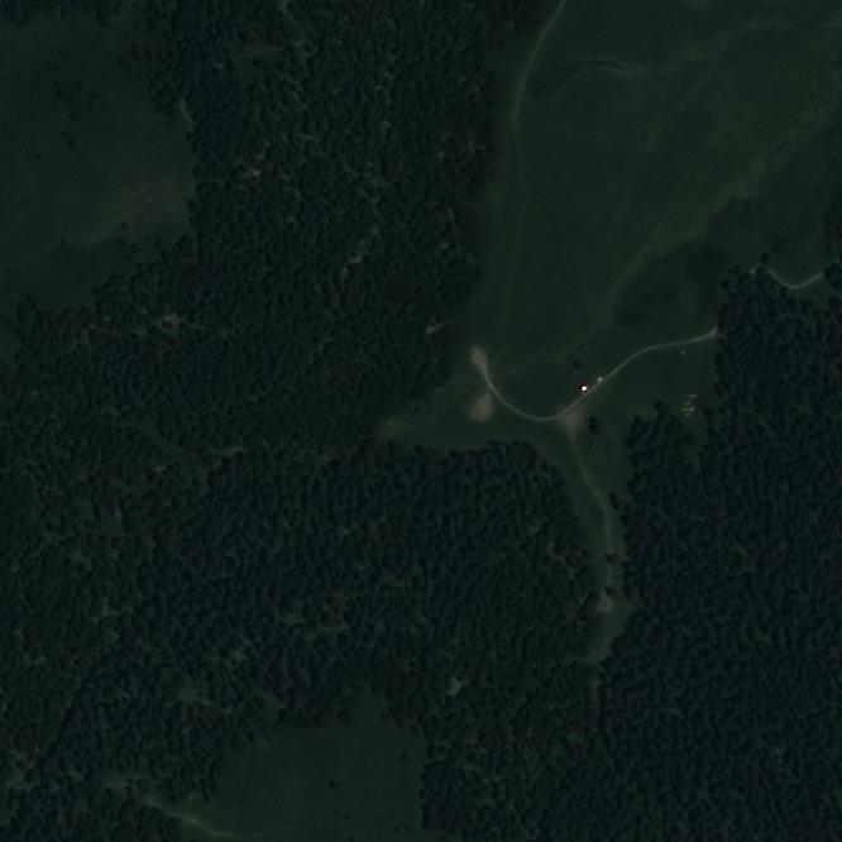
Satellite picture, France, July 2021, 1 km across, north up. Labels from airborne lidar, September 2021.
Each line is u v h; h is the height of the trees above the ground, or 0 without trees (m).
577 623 13
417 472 23
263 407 32
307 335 21
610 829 29
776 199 0
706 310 0
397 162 12
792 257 0
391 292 20
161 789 15
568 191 0
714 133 0
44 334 22
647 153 0
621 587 0
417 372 13
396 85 21
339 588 26
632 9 0
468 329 0
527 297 0
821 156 0
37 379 24
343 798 0
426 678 22
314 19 12
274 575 31
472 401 0
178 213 0
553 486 34
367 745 0
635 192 0
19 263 0
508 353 0
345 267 31
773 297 16
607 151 0
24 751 23
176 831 23
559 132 0
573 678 26
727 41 0
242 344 18
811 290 0
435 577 21
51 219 0
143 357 23
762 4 0
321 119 20
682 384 0
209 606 25
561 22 0
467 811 22
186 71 21
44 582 24
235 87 25
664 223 0
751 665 16
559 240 0
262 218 33
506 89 0
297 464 25
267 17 12
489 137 16
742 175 0
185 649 14
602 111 0
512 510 22
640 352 0
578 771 19
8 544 21
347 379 22
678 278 0
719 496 33
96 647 31
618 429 0
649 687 24
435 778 25
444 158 7
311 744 0
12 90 0
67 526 24
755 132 0
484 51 16
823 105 0
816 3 0
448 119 25
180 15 21
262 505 28
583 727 34
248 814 0
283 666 29
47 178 0
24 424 26
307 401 21
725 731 26
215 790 19
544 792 26
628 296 0
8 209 0
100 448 31
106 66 0
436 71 21
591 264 0
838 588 23
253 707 28
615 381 0
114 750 13
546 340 0
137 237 0
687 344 0
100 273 0
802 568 25
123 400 29
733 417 12
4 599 20
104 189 0
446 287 27
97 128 0
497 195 0
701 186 0
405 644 28
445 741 14
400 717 24
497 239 0
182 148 0
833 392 20
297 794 0
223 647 14
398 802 0
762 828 33
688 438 16
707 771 32
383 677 22
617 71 0
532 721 32
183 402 30
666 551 30
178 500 25
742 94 0
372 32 24
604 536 0
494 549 22
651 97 0
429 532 20
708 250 6
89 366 20
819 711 7
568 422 0
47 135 0
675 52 0
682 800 30
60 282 0
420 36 22
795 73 0
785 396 27
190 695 0
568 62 0
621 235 0
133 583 24
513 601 29
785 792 32
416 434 0
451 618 22
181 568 28
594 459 0
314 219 21
